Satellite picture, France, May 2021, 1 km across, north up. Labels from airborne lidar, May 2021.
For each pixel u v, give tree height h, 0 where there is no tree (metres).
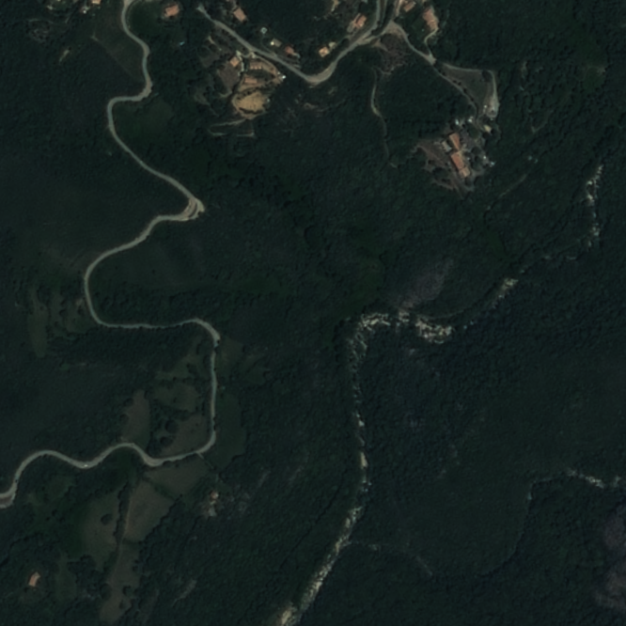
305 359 7
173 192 6
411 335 17
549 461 6
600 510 16
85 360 6
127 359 7
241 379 7
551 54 15
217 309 6
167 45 8
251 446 7
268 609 10
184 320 7
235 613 10
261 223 8
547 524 15
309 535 14
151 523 0
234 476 9
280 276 7
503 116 12
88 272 0
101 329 6
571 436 8
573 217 17
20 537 13
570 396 7
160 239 6
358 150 9
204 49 8
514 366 11
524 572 17
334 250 10
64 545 8
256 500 11
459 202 11
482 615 13
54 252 0
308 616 14
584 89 12
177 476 0
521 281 16
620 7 11
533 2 8
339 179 8
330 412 14
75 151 8
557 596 15
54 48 6
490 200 9
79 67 6
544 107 15
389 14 10
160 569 8
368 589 14
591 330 17
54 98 10
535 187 7
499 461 9
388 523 10
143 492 0
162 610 6
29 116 8
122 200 6
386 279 8
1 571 12
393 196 6
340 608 13
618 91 14
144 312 9
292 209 21
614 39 6
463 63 11
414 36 10
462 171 0
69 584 0
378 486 16
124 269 0
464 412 8
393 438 17
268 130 10
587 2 13
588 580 16
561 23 18
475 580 16
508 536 13
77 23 7
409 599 17
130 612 8
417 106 17
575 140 13
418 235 14
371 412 15
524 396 6
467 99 12
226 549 8
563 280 15
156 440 10
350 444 16
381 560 10
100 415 12
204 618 16
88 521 0
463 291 10
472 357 10
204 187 9
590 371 7
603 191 16
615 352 9
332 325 25
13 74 7
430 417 9
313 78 0
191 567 11
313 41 6
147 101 8
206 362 8
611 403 6
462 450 8
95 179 8
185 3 17
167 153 5
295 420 9
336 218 6
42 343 0
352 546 8
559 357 9
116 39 0
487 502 7
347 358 14
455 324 15
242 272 9
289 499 9
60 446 7
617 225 10
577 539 17
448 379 17
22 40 7
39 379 6
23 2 12
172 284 0
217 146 24
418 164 13
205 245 5
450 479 8
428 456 9
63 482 0
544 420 9
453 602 16
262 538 9
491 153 9
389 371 11
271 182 24
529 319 10
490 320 11
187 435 0
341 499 16
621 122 21
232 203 9
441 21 7
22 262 0
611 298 13
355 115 11
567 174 16
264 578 9
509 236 10
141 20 0
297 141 11
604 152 22
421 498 6
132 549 0
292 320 8
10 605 8
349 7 8
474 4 9
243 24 10
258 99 0
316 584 0
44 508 0
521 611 17
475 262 5
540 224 9
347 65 7
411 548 9
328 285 15
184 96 11
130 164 6
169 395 0
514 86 17
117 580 0
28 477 8
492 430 7
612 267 12
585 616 14
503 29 13
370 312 15
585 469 9
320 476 11
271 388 11
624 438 12
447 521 6
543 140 16
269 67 0
